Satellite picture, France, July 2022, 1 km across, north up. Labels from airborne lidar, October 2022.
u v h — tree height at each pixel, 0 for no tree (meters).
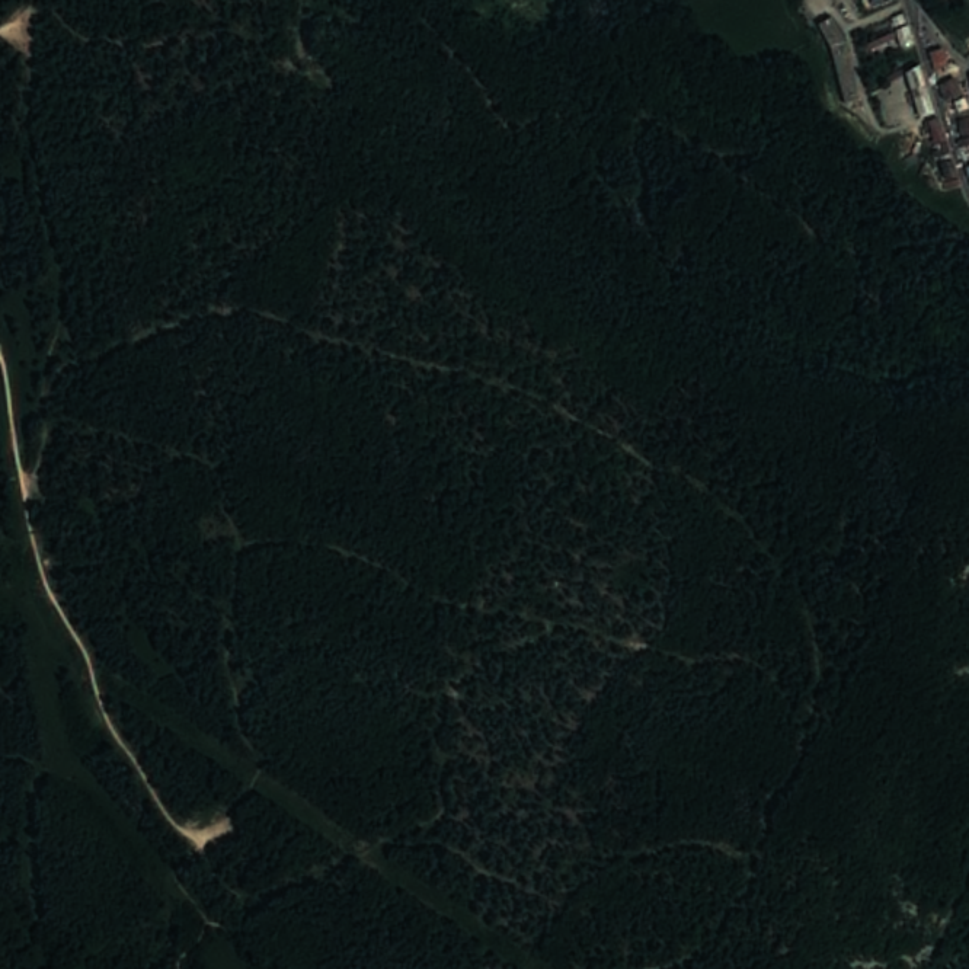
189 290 17
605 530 18
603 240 39
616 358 16
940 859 29
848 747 26
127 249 14
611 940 21
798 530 23
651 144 29
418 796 22
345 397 14
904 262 30
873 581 28
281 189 20
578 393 17
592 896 21
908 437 22
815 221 30
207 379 13
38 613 0
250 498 16
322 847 22
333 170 24
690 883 16
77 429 19
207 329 20
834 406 21
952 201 0
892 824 23
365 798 22
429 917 25
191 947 17
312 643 8
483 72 32
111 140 21
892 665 23
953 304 22
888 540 17
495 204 35
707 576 28
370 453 23
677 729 18
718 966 22
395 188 19
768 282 32
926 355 22
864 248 34
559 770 8
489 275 19
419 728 21
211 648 23
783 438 20
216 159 23
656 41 39
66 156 21
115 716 28
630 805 25
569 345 16
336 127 23
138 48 22
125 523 24
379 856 0
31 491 0
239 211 18
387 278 16
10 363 0
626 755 22
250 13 17
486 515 22
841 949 15
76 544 25
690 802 21
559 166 34
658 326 27
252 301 18
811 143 31
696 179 34
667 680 20
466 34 28
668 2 18
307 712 15
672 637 16
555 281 32
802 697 24
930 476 23
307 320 18
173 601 22
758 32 0
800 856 18
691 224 31
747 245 35
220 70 25
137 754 7
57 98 21
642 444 19
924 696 20
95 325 16
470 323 11
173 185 16
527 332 18
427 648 17
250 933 23
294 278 16
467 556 23
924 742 23
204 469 21
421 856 23
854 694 23
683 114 33
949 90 0
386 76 20
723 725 20
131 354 17
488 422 16
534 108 25
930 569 19
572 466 16
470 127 31
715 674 23
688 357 18
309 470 21
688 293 32
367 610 16
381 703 22
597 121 32
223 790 26
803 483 28
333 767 20
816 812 21
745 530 22
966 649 18
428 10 34
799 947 17
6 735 26
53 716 0
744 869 24
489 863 30
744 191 35
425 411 20
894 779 27
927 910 22
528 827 16
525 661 15
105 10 14
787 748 21
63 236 24
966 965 23
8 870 29
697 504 23
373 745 18
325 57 12
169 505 13
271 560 15
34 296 13
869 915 15
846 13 0
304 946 24
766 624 19
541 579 7
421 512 22
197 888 21
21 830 13
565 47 28
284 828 24
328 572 20
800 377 18
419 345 16
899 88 0
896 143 0
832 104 0
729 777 24
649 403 18
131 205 19
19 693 28
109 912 23
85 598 18
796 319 27
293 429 21
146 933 30
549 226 33
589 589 21
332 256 22
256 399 20
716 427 20
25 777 15
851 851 23
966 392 8
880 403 13
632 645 0
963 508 17
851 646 11
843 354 22
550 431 16
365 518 20
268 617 22
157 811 26
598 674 25
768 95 30
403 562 20
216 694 22
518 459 19
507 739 19
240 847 23
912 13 0
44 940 12
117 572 19
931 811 25
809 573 23
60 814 22
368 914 23
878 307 32
